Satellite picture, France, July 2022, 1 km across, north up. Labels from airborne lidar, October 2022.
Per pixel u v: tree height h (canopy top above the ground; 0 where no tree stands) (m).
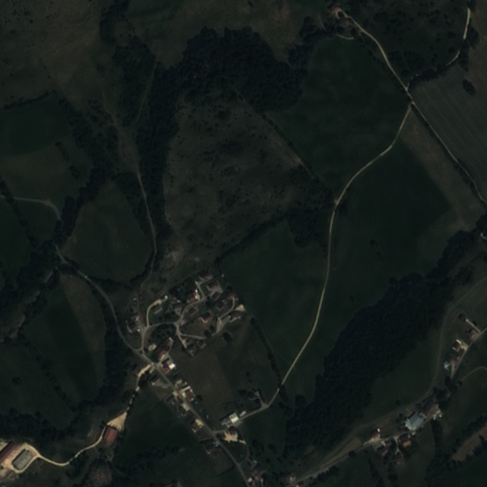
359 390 23
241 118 0
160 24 0
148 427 0
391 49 0
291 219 17
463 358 0
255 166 0
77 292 0
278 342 0
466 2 0
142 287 0
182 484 0
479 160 0
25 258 0
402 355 25
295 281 0
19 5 0
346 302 0
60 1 0
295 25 0
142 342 0
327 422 15
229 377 0
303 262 0
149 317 0
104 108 0
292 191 0
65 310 0
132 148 0
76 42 0
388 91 0
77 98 0
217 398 0
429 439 0
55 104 0
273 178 0
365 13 0
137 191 9
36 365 0
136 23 0
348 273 0
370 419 0
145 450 0
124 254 0
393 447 14
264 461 0
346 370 18
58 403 0
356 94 0
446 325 0
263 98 15
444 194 0
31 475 0
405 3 0
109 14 6
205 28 0
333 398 18
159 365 0
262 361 0
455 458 0
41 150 0
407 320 24
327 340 0
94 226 0
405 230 0
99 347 0
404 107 0
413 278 6
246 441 0
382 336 26
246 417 0
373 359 22
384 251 0
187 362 0
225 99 8
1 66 0
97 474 0
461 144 0
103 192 0
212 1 0
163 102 8
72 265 15
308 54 15
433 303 17
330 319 0
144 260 0
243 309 0
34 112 0
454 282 7
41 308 16
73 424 7
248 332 0
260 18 0
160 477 0
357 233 0
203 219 0
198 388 0
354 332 27
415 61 12
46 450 0
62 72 0
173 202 0
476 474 0
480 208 0
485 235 17
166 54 0
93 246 0
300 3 0
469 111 0
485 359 0
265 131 0
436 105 0
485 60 0
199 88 15
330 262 0
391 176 0
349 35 0
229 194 0
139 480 17
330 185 0
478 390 0
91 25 0
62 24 0
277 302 0
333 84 0
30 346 17
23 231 0
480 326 0
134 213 8
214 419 0
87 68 0
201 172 0
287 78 20
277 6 0
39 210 0
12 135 0
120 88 0
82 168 0
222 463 0
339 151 0
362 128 0
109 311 8
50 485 0
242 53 7
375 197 0
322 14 0
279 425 0
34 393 0
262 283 0
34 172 0
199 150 0
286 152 0
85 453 6
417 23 0
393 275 0
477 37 18
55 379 12
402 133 0
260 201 0
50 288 16
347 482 0
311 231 16
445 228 0
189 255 0
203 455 0
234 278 0
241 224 0
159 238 6
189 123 0
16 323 0
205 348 0
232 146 7
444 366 0
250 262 0
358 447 0
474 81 0
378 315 30
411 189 0
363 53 0
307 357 0
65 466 0
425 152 0
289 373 0
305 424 16
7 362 0
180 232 0
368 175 0
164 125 16
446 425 0
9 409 0
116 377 18
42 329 0
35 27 0
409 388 0
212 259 0
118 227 0
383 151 0
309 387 0
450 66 7
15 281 0
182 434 0
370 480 0
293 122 0
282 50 0
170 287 0
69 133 0
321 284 0
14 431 17
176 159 0
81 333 0
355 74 0
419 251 0
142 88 6
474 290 0
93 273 0
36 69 0
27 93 0
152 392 0
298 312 0
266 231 7
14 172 0
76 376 0
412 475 0
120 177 8
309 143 0
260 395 7
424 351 0
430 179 0
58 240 19
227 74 10
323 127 0
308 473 0
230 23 0
